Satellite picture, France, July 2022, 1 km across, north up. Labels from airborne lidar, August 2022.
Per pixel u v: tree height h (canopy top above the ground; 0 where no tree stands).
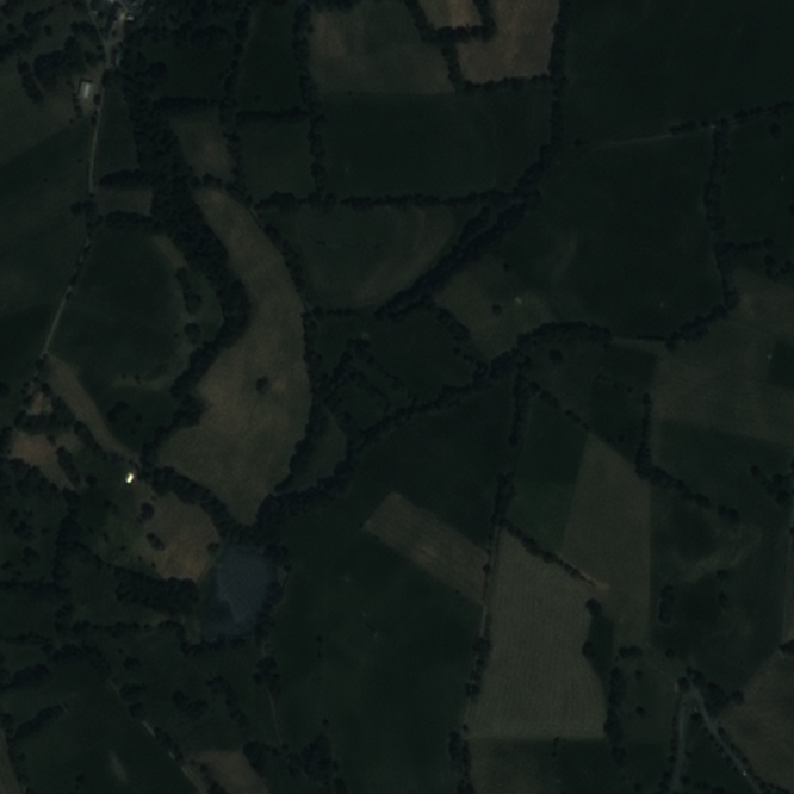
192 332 19
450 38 19
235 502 0
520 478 0
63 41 0
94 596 0
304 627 0
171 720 0
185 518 0
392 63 0
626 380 0
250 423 0
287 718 0
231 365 0
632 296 0
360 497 0
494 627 0
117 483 0
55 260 0
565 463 0
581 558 0
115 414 13
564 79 16
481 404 0
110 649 0
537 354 0
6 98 0
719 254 21
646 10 0
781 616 0
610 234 0
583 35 0
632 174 0
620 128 0
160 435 16
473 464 0
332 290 0
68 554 23
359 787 0
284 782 0
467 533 0
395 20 0
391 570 0
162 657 0
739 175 0
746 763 11
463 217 0
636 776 0
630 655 14
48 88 16
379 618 0
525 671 0
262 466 0
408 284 0
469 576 0
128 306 0
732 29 0
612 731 20
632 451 0
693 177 0
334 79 0
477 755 0
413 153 0
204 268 16
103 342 0
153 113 25
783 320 0
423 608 0
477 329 0
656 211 0
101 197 0
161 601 18
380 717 0
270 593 15
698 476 0
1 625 0
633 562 0
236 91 14
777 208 0
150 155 24
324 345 0
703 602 0
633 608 0
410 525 0
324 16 0
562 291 0
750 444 0
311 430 17
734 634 0
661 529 0
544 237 0
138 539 0
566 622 0
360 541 0
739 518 16
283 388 0
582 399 0
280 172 0
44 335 0
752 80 0
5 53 16
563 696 0
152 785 0
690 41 0
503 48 0
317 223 0
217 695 14
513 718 0
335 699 0
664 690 0
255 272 0
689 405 0
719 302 0
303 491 0
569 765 0
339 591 0
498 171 0
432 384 0
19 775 13
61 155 0
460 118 0
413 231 0
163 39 11
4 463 17
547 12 0
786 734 0
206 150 0
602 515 0
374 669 0
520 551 0
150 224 17
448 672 0
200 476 0
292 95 0
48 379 0
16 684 20
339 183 0
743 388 0
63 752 0
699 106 0
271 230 15
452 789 0
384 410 16
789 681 0
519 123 0
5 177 0
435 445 0
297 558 0
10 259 0
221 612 0
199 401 0
